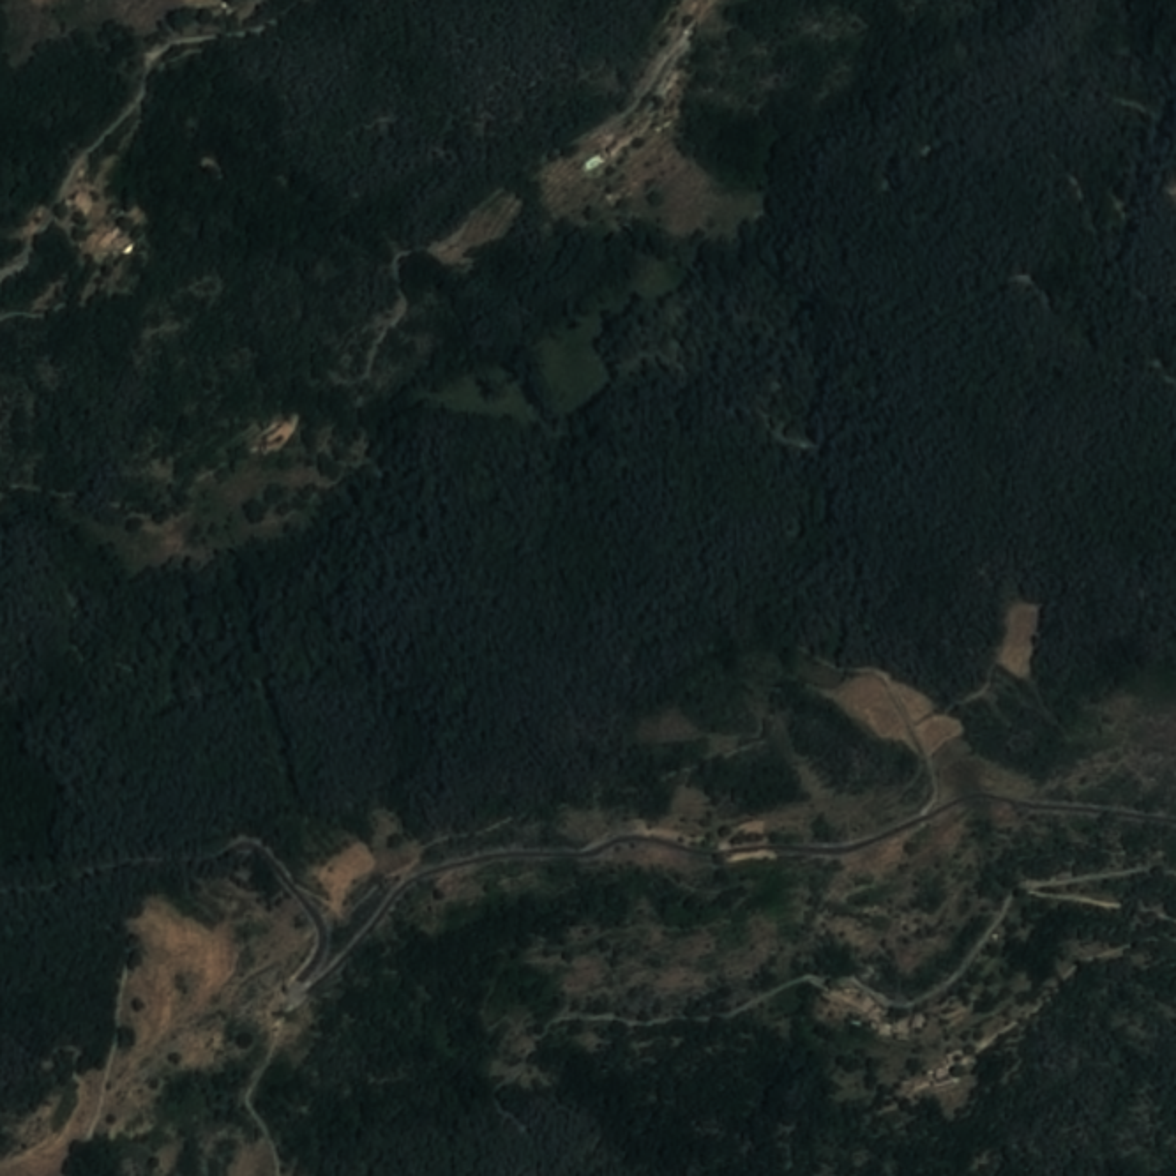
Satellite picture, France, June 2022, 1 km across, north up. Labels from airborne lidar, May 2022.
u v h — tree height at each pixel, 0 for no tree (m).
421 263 15
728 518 20
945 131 18
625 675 18
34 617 24
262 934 0
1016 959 15
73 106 14
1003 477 17
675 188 0
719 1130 9
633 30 17
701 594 16
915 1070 15
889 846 0
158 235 16
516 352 22
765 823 0
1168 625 21
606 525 30
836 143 17
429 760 22
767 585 17
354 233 24
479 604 18
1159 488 17
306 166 17
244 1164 0
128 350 10
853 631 18
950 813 0
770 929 0
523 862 0
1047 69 18
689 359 14
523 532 21
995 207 16
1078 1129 16
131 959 9
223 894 0
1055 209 15
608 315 14
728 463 21
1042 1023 8
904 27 22
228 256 15
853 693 0
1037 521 17
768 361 21
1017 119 17
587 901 12
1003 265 16
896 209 21
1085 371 20
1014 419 15
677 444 20
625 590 21
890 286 19
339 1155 14
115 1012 13
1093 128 16
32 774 7
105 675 12
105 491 20
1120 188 16
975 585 13
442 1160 13
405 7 13
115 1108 0
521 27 20
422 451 16
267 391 8
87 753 24
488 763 16
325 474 16
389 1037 12
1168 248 21
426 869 0
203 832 20
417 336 6
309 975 0
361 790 21
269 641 18
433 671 18
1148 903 10
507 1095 16
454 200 15
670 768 8
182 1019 0
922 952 0
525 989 12
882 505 18
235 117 14
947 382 16
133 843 19
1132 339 17
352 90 12
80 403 12
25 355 12
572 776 15
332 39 16
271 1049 0
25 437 11
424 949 10
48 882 11
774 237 23
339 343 8
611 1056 9
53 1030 18
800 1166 11
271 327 11
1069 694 7
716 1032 13
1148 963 6
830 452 23
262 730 15
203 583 19
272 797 12
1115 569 24
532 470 23
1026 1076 10
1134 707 0
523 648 17
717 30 0
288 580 13
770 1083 17
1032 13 13
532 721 22
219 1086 12
